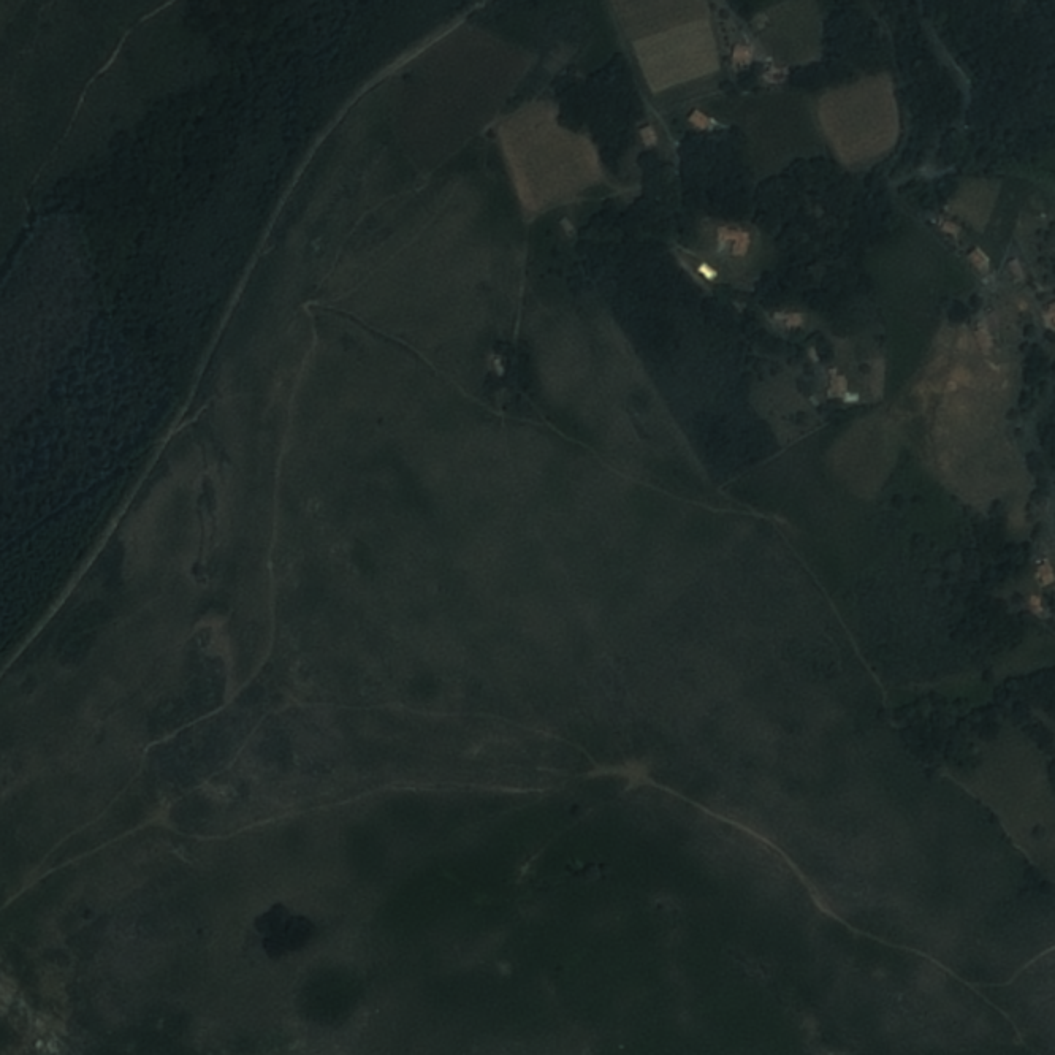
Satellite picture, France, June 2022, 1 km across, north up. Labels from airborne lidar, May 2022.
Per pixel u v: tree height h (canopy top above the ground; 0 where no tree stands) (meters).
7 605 19
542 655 0
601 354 0
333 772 0
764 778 0
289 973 0
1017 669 0
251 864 0
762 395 0
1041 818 0
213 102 27
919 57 23
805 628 0
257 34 11
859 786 0
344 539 0
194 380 0
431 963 0
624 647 0
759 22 0
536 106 0
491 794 0
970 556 17
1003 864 0
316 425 0
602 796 0
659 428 0
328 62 10
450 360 0
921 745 10
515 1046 0
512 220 0
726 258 0
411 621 0
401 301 0
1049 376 13
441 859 0
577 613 0
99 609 0
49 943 0
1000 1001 0
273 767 0
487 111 0
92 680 0
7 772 0
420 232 0
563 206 0
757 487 0
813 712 0
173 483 0
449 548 0
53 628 0
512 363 14
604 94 14
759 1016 0
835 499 0
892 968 0
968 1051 0
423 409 0
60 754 0
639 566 0
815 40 0
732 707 0
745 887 0
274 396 0
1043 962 0
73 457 17
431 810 0
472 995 0
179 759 0
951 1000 0
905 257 0
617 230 16
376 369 0
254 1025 0
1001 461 0
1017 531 0
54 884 0
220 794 0
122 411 10
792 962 0
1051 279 6
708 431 6
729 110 0
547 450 0
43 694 0
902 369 0
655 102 0
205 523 0
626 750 0
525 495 0
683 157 11
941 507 0
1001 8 14
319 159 0
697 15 0
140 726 0
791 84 10
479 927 0
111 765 0
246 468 0
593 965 0
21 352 15
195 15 12
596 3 0
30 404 19
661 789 0
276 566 0
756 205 17
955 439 0
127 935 0
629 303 10
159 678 0
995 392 0
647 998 0
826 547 0
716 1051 0
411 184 0
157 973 0
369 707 0
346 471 0
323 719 0
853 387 0
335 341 0
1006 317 0
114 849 0
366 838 0
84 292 23
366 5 17
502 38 0
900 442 0
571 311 0
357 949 0
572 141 0
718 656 0
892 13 15
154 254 8
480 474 0
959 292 0
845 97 0
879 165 8
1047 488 13
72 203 21
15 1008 0
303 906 0
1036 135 24
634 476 0
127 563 0
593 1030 0
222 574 0
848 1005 0
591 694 0
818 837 0
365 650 0
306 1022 0
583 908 0
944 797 0
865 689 0
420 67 0
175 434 0
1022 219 0
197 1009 0
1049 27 24
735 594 0
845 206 23
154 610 0
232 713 0
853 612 0
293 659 0
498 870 0
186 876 0
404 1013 0
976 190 0
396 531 0
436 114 0
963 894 0
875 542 0
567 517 0
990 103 15
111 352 14
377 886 0
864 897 0
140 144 13
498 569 0
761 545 0
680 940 0
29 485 24
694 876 0
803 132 0
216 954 0
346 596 0
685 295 10
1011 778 0
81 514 18
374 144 0
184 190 13
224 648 0
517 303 0
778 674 0
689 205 16
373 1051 0
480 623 0
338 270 0
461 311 0
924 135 16
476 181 0
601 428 0
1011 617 11
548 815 0
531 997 0
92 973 0
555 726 0
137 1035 0
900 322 0
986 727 11
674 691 0
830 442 0
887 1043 0
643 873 0
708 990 0
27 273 22
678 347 12
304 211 0
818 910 0
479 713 0
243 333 0
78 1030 0
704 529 0
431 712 0
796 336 14
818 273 21
